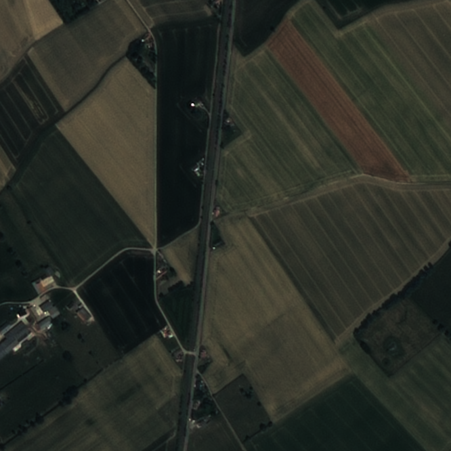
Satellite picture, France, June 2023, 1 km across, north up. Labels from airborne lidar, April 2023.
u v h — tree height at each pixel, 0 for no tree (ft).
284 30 0
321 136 0
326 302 0
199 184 0
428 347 0
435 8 0
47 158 0
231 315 0
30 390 0
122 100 0
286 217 0
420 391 0
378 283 0
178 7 0
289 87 0
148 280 0
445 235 0
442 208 0
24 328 0
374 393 0
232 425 0
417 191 0
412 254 0
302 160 0
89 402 0
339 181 0
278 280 0
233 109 0
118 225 0
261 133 0
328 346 0
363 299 0
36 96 0
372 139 0
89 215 0
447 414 0
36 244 0
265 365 0
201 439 0
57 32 0
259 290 0
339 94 0
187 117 0
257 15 0
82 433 0
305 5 0
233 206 0
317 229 0
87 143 0
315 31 0
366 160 0
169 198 0
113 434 0
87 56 0
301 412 0
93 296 0
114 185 0
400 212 0
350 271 0
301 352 0
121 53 0
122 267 0
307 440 0
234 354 0
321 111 0
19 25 0
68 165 0
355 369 0
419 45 0
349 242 0
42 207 0
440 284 0
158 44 0
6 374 0
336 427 0
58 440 0
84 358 0
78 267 0
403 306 0
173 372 0
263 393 0
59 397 0
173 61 0
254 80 0
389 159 0
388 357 0
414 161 0
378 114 0
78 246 0
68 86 0
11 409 0
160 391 0
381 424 0
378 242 0
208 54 0
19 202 0
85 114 0
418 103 0
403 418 0
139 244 0
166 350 0
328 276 0
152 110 0
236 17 0
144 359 0
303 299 0
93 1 41
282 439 0
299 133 0
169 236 0
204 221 0
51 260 0
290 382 0
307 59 0
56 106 0
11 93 0
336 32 0
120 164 0
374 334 0
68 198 0
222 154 0
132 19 0
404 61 0
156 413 0
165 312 0
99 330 0
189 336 0
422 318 0
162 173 0
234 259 0
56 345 0
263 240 0
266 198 0
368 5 0
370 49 0
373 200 0
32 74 0
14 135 0
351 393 0
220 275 0
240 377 0
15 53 0
